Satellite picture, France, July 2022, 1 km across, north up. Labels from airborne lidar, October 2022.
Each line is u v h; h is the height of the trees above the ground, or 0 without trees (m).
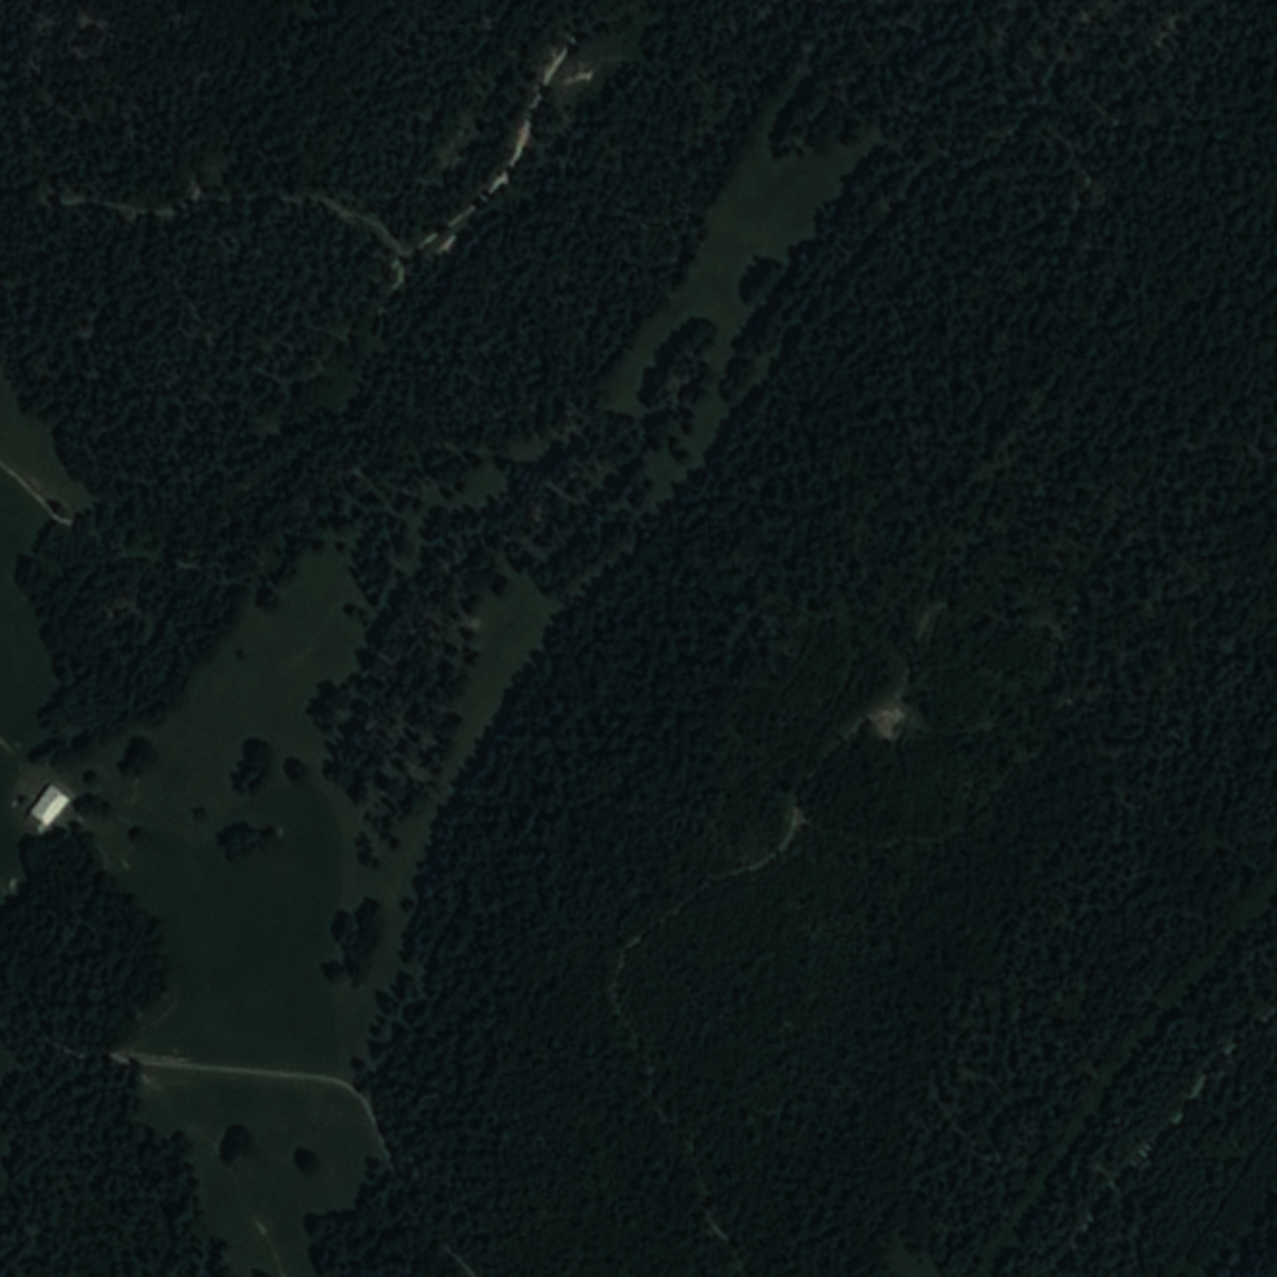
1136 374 18
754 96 23
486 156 18
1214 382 18
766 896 6
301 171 16
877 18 24
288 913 0
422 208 10
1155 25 18
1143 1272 10
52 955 23
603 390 17
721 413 0
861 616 6
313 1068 0
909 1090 8
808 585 16
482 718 0
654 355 0
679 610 13
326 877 0
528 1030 10
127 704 19
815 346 19
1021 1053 20
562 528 33
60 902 21
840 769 6
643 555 11
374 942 21
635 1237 6
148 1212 7
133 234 16
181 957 0
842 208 16
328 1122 0
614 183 19
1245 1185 11
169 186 8
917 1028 18
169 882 0
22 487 0
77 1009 9
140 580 8
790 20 23
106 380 11
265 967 0
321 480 19
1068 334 8
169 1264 16
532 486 30
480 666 10
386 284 6
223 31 18
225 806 0
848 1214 19
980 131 17
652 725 10
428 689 23
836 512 23
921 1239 15
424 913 16
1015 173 20
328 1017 0
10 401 0
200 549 13
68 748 12
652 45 14
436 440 20
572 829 9
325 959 0
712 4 20
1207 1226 10
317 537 21
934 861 14
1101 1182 19
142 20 18
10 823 0
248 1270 0
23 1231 29
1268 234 18
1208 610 16
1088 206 17
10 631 0
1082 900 20
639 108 16
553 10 11
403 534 28
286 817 0
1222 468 25
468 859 17
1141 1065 17
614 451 23
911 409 15
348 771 21
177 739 0
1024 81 24
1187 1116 12
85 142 16
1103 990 17
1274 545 13
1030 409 21
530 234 21
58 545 16
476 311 18
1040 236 19
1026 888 11
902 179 29
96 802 15
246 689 0
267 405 19
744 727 8
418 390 18
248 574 20
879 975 9
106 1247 16
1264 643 23
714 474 10
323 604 0
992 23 23
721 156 15
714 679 19
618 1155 7
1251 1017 11
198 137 23
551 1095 8
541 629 0
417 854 0
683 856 7
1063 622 8
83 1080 15
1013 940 17
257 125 19
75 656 7
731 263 0
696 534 14
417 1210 20
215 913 0
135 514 27
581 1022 8
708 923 7
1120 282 6
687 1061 6
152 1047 0
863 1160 9
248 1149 22
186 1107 0
